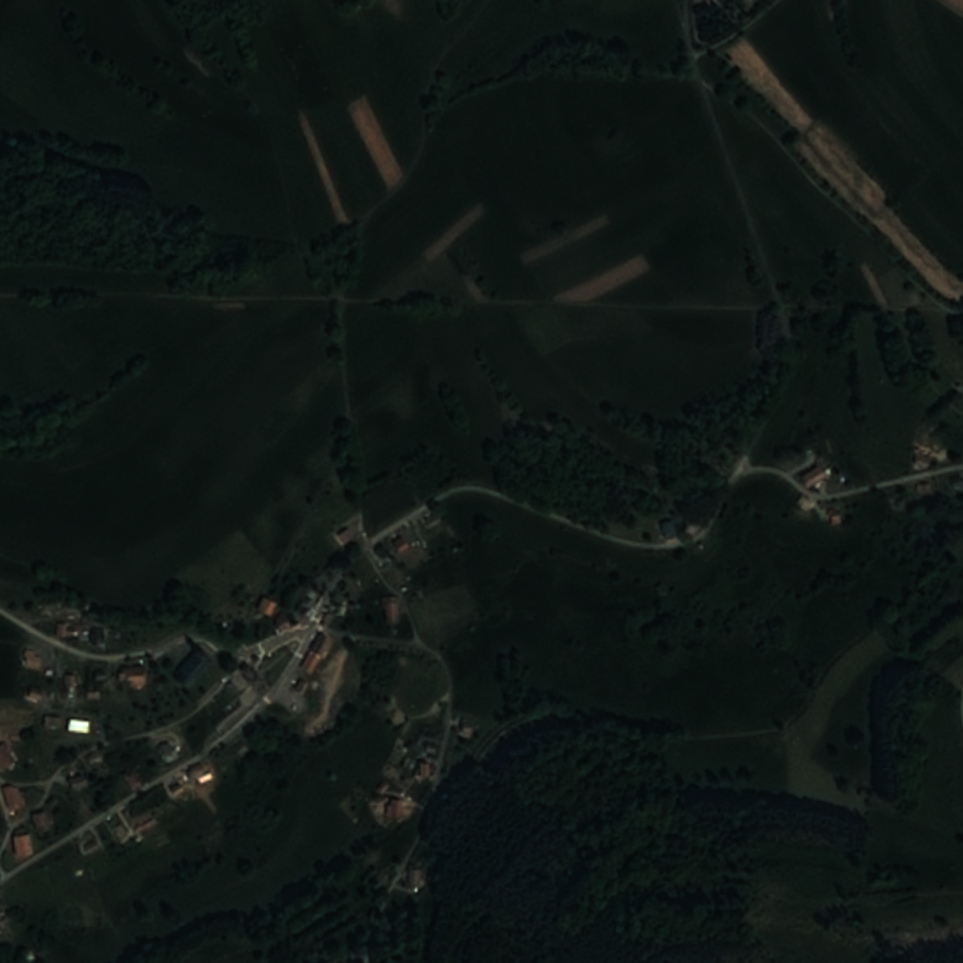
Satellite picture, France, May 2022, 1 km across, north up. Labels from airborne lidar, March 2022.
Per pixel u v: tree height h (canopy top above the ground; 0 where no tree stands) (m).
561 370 0
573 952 15
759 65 0
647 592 0
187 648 0
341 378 0
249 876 16
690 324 0
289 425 0
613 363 0
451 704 0
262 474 0
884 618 18
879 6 0
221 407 0
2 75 0
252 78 0
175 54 0
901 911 0
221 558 0
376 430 0
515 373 0
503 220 0
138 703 6
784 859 0
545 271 0
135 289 0
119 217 27
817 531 0
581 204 0
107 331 0
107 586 0
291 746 20
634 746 26
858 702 0
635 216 0
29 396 0
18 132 0
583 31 0
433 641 0
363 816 0
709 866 11
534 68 18
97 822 0
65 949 0
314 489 0
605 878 22
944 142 0
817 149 0
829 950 0
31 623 0
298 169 0
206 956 0
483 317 0
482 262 0
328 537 0
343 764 0
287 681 0
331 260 14
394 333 0
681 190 0
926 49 0
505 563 0
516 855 30
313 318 0
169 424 0
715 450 25
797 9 0
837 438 0
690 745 0
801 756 0
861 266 0
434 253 0
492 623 0
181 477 0
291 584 6
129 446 0
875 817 0
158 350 0
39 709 0
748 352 0
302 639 0
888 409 0
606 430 0
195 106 0
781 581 0
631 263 0
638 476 14
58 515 0
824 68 0
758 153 0
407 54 0
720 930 23
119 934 0
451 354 0
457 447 0
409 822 0
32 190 22
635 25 0
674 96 0
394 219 0
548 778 29
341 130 0
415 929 21
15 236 9
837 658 0
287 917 16
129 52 0
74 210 26
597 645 0
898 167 0
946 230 0
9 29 0
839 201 12
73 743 0
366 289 0
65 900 0
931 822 0
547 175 0
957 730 0
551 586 0
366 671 7
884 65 0
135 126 0
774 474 0
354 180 0
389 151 0
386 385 0
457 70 0
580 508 16
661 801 27
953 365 0
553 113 0
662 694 0
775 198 0
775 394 22
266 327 0
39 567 12
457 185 0
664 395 0
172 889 0
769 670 0
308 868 0
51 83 0
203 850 0
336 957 18
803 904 0
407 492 0
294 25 0
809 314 7
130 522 0
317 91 0
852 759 0
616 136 8
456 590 0
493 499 0
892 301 0
